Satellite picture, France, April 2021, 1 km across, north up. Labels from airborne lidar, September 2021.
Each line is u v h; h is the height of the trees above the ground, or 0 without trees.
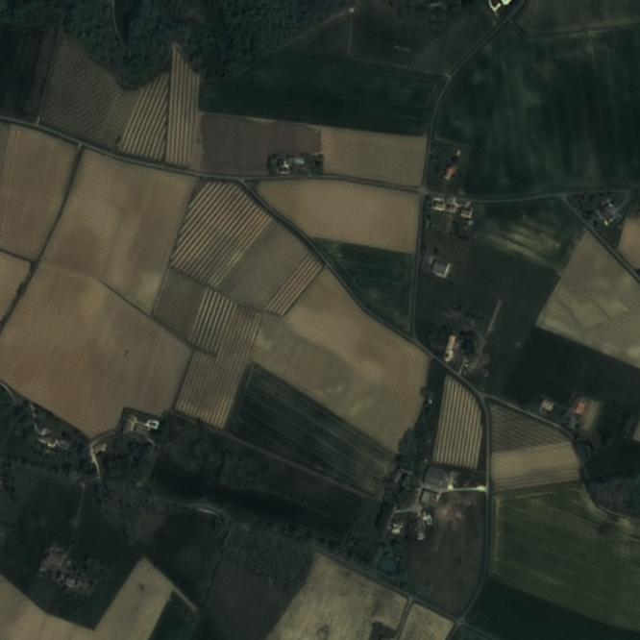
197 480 0
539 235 0
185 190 0
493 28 0
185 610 0
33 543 0
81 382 0
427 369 0
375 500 0
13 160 0
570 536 0
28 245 0
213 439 0
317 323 0
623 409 0
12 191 0
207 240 0
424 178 0
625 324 0
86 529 0
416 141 0
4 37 0
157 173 0
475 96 0
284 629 0
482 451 0
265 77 0
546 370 0
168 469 0
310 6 15
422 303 0
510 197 0
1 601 0
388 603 0
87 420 0
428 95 0
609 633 0
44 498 0
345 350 0
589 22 0
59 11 7
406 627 0
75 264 0
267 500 0
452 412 0
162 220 0
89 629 0
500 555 0
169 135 0
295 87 0
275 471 0
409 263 0
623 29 0
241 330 0
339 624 0
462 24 0
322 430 0
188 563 0
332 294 0
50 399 0
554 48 0
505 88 0
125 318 0
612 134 0
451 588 0
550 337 0
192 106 0
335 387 0
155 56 21
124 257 0
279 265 0
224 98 0
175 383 0
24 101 0
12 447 0
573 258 0
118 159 0
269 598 0
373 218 0
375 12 0
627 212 0
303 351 0
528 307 0
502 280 0
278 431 0
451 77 0
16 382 0
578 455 19
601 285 0
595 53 0
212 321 0
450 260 0
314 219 0
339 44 0
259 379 0
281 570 19
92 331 0
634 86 0
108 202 0
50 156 0
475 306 0
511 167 0
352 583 0
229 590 0
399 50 0
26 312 0
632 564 0
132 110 0
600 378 0
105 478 0
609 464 0
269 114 0
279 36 16
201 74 14
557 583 0
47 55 0
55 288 0
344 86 0
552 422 0
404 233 0
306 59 0
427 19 22
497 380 0
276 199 0
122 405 0
